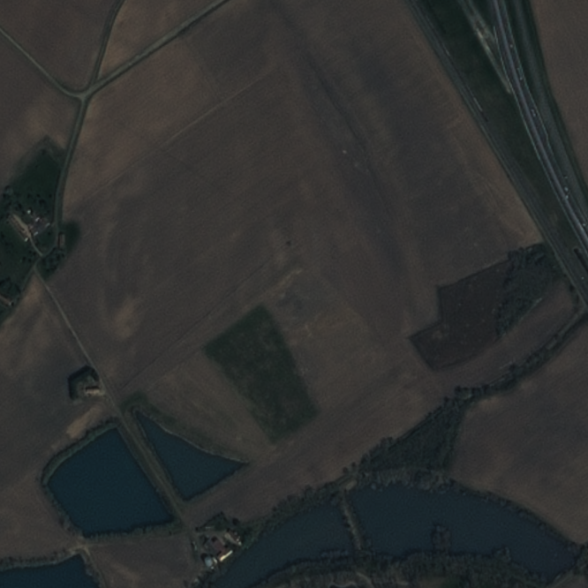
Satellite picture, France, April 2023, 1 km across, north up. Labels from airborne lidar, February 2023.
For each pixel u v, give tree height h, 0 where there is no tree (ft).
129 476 0
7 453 0
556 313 0
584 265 0
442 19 0
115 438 0
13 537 0
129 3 0
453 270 0
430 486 94
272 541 0
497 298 0
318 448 0
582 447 0
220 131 0
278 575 44
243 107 0
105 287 0
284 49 0
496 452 0
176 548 0
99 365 0
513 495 0
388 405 0
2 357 0
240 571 0
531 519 36
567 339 0
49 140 0
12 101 0
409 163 0
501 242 0
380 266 0
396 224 0
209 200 0
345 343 0
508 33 0
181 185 0
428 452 27
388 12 0
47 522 0
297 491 0
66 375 0
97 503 0
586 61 0
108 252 0
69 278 0
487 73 0
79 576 0
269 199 0
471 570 49
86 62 0
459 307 0
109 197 0
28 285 0
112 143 0
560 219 0
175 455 0
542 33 0
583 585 0
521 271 45
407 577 64
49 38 0
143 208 0
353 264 0
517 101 0
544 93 0
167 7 0
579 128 0
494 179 0
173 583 0
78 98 0
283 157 0
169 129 0
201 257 0
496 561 51
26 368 0
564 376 0
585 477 0
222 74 0
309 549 0
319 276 0
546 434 0
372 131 0
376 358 0
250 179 0
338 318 0
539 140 0
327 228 0
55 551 0
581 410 0
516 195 0
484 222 0
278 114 0
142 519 0
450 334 0
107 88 0
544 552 0
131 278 0
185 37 0
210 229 0
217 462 0
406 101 0
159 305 0
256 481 0
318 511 0
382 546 0
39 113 0
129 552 0
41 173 0
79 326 0
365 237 0
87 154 0
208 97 0
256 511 0
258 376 0
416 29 0
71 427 0
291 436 0
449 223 0
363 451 0
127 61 0
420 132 0
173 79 0
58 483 0
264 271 0
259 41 0
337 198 0
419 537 0
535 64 0
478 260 0
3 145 0
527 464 0
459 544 0
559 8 0
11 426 0
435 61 0
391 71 0
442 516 0
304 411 0
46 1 0
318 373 0
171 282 0
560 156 0
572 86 0
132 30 0
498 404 0
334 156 0
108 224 0
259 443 0
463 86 0
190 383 0
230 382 0
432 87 0
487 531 0
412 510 0
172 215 0
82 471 0
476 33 0
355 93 0
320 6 0
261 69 0
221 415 0
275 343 0
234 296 0
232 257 0
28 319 0
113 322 0
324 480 0
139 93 0
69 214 0
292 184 0
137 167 0
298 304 0
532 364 46
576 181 0
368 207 0
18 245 0
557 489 0
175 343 0
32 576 0
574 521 0
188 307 0
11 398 0
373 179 0
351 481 0
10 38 0
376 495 0
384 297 0
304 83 0
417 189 0
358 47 0
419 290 0
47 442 0
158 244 0
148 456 0
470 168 0
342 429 0
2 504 0
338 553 31
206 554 0
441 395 0
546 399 0
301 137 0
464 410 41
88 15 0
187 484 0
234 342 0
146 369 0
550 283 39
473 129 0
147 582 0
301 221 0
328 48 0
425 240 0
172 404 0
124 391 0
